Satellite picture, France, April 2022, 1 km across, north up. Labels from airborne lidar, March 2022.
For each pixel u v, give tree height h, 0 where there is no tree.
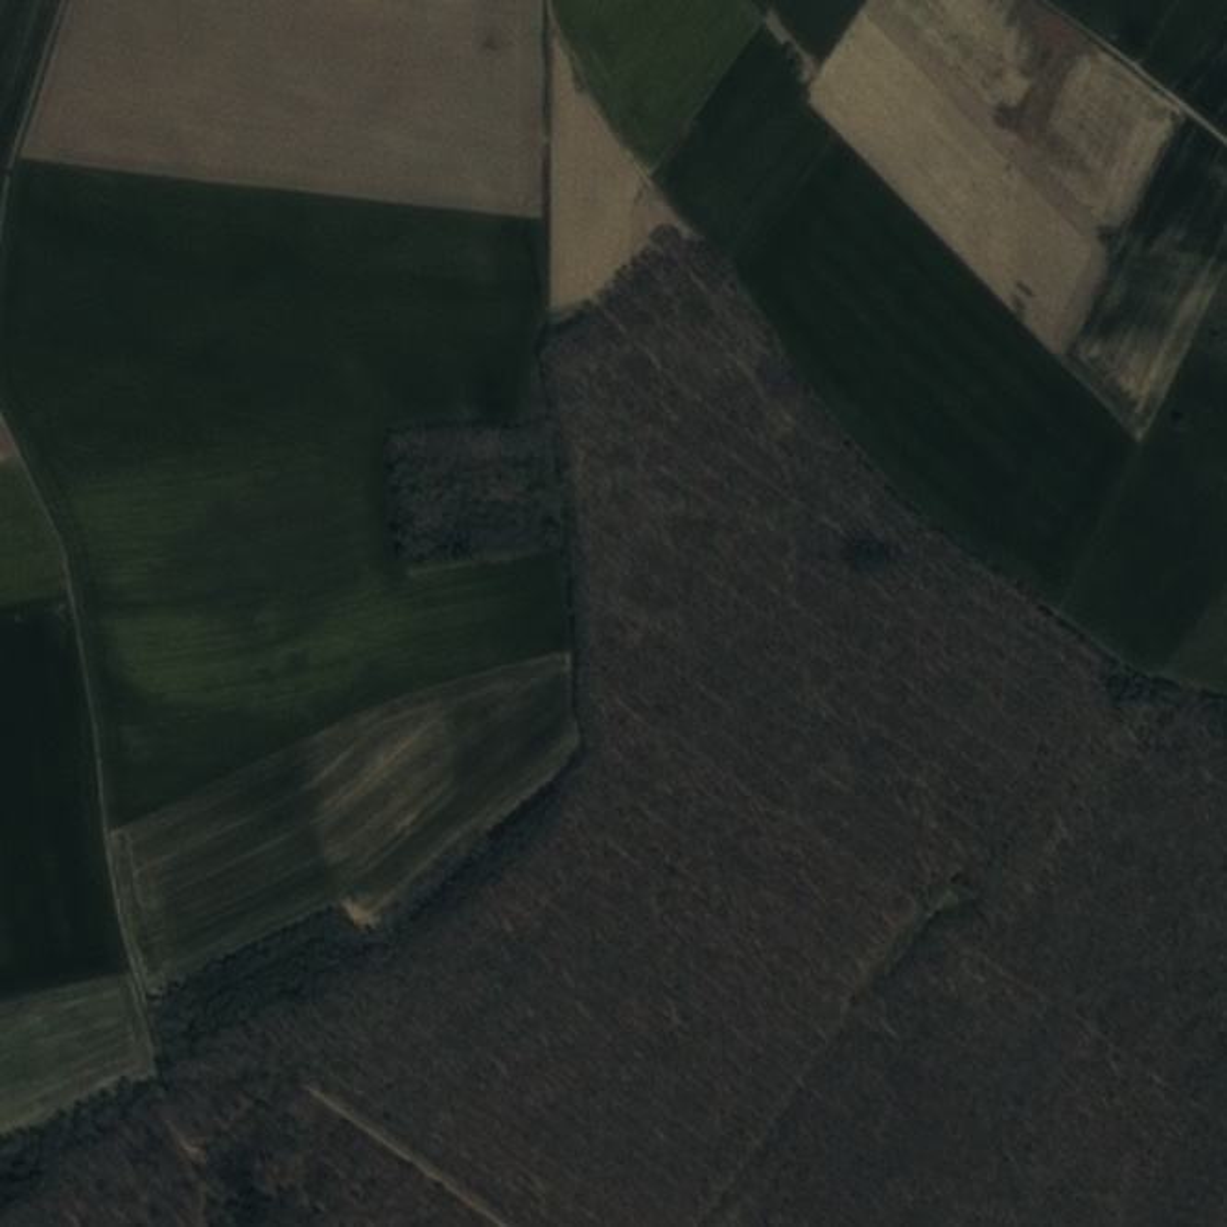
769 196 0
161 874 0
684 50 0
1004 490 0
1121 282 0
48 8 0
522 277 0
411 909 14
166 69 0
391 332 0
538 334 0
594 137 0
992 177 0
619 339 18
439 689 0
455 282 0
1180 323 0
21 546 0
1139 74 0
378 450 0
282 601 0
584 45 0
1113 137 0
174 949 0
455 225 0
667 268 20
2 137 0
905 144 0
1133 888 16
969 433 0
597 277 0
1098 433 0
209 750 0
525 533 24
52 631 0
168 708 0
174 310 0
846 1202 16
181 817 0
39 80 0
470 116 0
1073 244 0
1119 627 0
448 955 19
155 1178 31
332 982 21
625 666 21
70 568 0
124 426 0
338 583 0
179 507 0
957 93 0
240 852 0
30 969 0
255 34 0
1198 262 0
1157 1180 18
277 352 0
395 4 0
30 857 0
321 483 0
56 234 0
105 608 0
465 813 0
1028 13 0
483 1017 19
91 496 0
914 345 0
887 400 0
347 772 0
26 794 0
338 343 0
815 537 17
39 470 0
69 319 0
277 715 0
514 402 0
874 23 0
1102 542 0
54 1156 27
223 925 0
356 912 0
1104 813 13
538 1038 22
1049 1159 15
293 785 0
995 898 13
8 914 0
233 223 0
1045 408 0
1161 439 0
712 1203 16
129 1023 0
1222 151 0
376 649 0
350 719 0
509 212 0
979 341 0
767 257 0
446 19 0
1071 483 0
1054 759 17
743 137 0
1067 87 0
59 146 0
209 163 0
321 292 0
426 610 0
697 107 0
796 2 0
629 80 0
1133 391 0
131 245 0
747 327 0
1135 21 0
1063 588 0
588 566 19
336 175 0
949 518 0
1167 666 0
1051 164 0
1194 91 0
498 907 19
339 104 0
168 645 0
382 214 0
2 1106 0
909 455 0
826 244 0
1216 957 15
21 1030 0
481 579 0
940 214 0
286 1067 20
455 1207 16
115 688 0
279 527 0
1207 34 0
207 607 0
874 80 0
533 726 0
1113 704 14
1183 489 0
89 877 0
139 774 0
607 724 19
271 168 0
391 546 0
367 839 0
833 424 15
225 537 0
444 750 0
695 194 0
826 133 0
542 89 0
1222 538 0
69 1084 0
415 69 0
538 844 19
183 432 0
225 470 0
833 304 0
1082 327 0
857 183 0
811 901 19
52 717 0
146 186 0
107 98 0
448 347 0
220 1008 17
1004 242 0
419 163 0
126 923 0
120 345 0
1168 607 0
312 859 0
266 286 0
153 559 0
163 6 0
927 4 0
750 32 0
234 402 0
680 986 19
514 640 0
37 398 0
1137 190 0
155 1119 27
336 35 0
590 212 0
